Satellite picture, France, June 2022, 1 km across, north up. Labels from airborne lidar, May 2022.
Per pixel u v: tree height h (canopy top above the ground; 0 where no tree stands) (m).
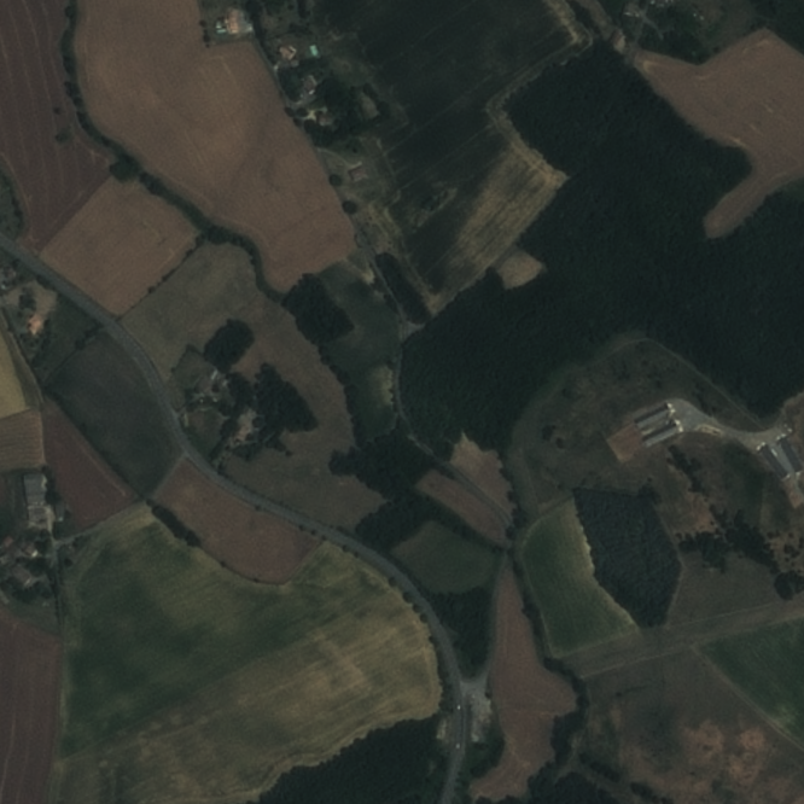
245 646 0
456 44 0
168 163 0
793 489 0
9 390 0
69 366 0
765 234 12
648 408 0
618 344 0
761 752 0
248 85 0
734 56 0
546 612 0
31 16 0
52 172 0
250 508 0
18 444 0
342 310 14
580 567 0
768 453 0
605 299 17
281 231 0
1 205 0
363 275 0
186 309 0
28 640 0
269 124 0
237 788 0
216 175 0
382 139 0
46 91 0
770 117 0
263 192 0
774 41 0
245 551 0
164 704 0
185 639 0
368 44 0
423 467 6
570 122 16
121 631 0
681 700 0
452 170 0
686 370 0
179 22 0
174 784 0
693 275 23
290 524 0
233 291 0
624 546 16
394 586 11
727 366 17
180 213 0
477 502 0
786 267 18
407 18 0
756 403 17
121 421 0
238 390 10
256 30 7
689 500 0
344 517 0
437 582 0
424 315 15
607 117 16
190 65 0
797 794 0
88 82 0
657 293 23
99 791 0
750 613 0
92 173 0
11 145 0
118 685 0
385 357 0
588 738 0
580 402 0
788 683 0
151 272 0
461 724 0
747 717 0
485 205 0
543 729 0
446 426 11
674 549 6
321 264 0
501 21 0
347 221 0
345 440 0
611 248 15
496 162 0
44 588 11
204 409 0
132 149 0
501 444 18
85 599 0
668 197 14
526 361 17
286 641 0
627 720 0
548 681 0
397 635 0
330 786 15
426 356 10
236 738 0
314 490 0
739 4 0
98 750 0
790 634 0
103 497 0
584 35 0
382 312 0
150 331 0
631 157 7
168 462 0
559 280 11
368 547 10
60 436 0
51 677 0
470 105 0
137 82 0
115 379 0
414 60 0
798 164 0
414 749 16
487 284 10
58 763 0
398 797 16
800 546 7
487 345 18
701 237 9
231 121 0
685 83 0
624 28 9
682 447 0
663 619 19
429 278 0
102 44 0
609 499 19
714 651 0
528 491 0
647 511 19
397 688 0
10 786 0
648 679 0
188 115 0
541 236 14
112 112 0
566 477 0
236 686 0
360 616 0
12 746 0
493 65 0
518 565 7
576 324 16
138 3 0
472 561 0
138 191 0
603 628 0
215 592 0
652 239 15
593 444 0
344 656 0
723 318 16
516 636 0
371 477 19
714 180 10
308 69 8
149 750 0
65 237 0
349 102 10
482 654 7
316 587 0
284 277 0
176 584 0
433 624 0
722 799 0
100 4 0
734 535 13
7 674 0
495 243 0
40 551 7
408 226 0
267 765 0
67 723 0
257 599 0
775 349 14
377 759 15
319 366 0
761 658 0
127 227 0
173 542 0
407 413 9
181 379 0
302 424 18
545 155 10
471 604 10
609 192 17
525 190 0
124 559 0
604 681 0
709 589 0
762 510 0
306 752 0
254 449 8
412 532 19
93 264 0
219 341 16
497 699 0
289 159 0
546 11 0
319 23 0
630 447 0
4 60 0
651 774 0
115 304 0
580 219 16
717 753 0
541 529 0
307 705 0
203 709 0
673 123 19
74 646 0
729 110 0
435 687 0
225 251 0
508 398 23
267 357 0
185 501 0
